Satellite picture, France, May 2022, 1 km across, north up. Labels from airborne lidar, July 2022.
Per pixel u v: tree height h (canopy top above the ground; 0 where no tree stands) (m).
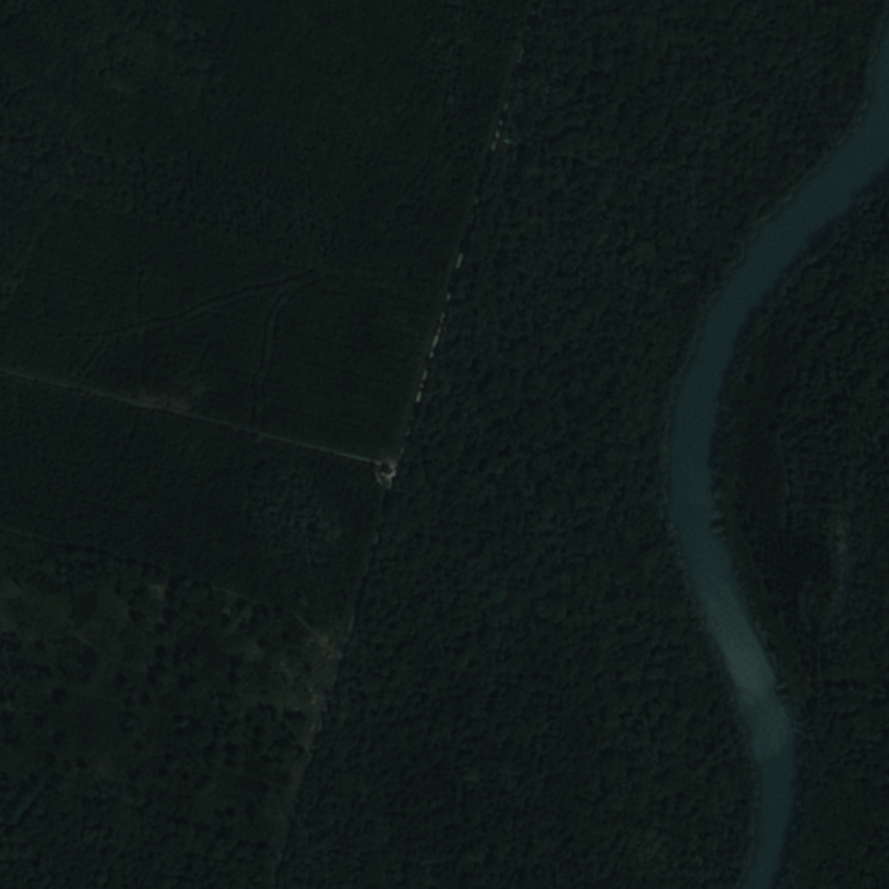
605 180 28
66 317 9
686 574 9
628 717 22
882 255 29
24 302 9
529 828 14
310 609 14
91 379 7
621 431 25
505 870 16
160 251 8
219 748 9
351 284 7
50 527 10
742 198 20
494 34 13
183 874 10
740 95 18
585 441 23
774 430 23
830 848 26
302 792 12
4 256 29
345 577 11
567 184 21
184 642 7
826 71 19
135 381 8
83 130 17
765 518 12
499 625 8
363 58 15
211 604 24
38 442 9
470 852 20
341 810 14
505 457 21
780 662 6
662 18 19
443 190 14
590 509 24
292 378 7
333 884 19
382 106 15
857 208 12
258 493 18
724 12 22
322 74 16
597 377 30
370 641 21
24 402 9
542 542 20
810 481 22
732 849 21
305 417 7
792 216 0
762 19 18
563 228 7
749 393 10
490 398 22
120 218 9
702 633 16
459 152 12
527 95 19
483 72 14
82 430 11
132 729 22
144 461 10
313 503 14
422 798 17
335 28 17
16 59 17
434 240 14
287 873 18
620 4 25
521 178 25
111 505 8
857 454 26
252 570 11
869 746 20
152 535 11
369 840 23
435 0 15
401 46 15
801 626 23
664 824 27
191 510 9
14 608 6
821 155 13
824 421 13
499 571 22
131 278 9
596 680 27
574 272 21
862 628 31
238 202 18
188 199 13
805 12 22
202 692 20
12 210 27
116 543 12
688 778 22
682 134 21
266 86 16
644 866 19
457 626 22
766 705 0
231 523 12
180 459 7
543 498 26
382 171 14
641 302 20
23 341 8
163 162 17
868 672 27
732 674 0
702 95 13
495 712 27
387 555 14
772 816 0
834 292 26
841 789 25
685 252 25
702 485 0
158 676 20
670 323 24
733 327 0
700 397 0
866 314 12
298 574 11
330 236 15
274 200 16
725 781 22
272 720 23
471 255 24
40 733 16
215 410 10
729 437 27
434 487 23
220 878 22
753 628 0
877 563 25
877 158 0
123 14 26
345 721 9
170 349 8
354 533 9
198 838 23
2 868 23
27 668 28
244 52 16
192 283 8
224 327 9
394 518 16
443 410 24
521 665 16
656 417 24
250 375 8
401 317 7
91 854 23
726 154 18
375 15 17
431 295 10
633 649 25
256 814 26
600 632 27
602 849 21
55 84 19
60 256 9
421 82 14
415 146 14
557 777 24
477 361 24
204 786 15
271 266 7
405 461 11
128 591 20
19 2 16
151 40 25
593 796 19
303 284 7
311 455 10
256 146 17
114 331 6
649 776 25
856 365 20
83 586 23
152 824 18
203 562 11
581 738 24
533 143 14
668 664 25
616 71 25
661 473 20
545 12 11
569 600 26
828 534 23
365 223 15
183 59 19
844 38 19
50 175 23
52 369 6
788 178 12
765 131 23
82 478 10
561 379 18
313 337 6
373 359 7
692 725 27
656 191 21
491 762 16
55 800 21
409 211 15
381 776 19
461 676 14
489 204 23
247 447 11
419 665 15
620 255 28
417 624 23
